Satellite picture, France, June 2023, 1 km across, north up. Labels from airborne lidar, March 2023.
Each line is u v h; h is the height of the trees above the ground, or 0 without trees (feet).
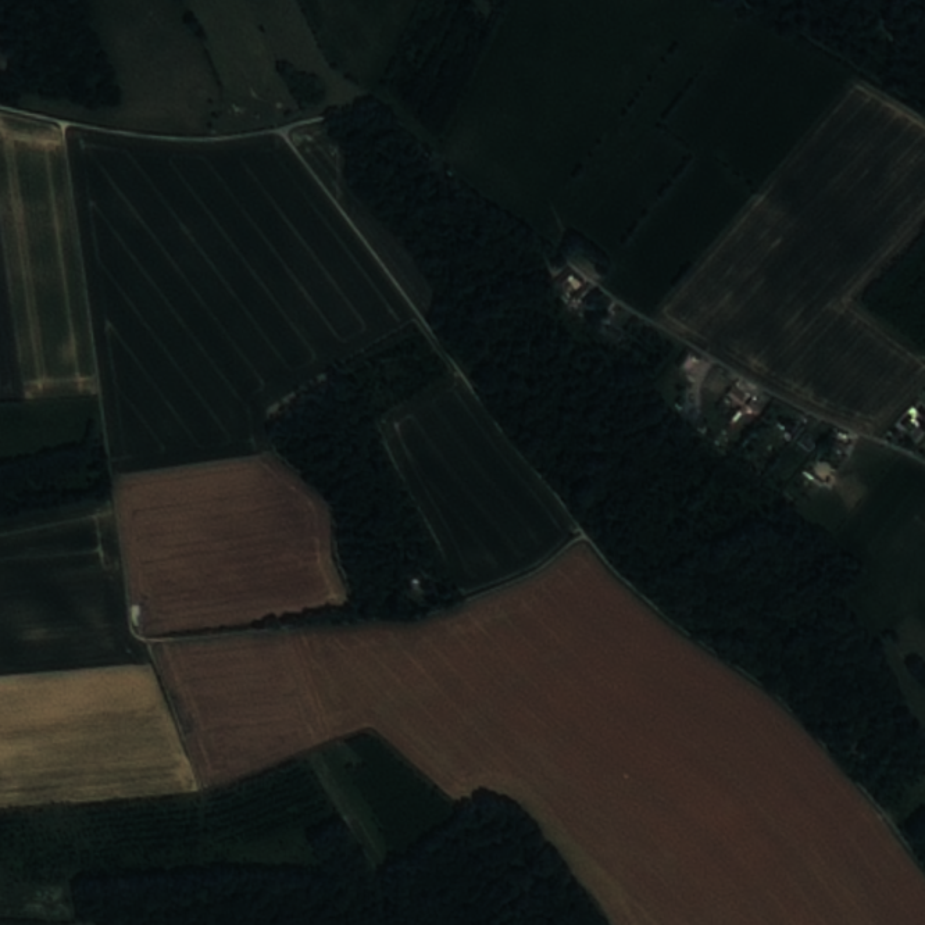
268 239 0
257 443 0
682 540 63
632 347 24
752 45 0
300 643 0
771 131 0
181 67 0
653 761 0
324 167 0
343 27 0
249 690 0
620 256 0
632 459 71
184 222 0
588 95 0
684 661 0
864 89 0
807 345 0
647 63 0
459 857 73
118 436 0
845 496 0
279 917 80
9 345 0
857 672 75
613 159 0
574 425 40
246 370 0
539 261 58
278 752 0
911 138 0
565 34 0
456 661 0
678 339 0
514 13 0
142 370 0
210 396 0
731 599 71
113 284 0
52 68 70
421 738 0
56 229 0
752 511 37
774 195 0
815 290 0
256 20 0
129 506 0
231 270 0
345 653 0
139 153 0
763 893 0
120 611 0
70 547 0
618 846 0
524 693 0
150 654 0
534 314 74
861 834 0
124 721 0
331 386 56
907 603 0
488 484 0
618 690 0
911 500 0
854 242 0
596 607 0
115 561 0
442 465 0
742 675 0
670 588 63
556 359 37
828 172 0
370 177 71
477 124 0
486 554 0
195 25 41
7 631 0
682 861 0
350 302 0
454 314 79
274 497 0
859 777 61
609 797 0
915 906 0
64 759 0
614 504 70
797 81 0
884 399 0
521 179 0
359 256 0
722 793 0
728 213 0
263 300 0
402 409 0
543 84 0
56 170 0
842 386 0
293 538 0
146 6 0
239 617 0
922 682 46
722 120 0
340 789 0
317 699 0
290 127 0
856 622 50
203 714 0
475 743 0
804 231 0
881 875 0
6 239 0
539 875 80
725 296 0
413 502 63
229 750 0
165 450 0
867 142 0
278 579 0
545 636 0
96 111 0
